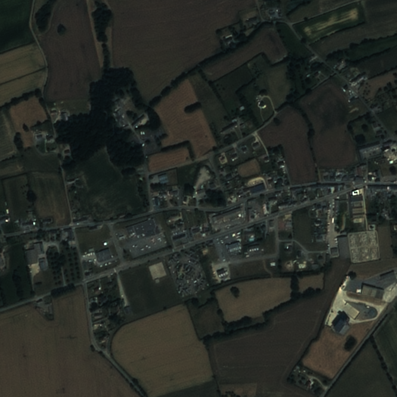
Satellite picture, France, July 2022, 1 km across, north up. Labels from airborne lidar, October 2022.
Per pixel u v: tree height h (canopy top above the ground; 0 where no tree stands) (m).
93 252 0
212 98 0
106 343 0
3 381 0
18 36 0
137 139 0
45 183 0
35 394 0
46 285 0
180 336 0
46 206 0
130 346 0
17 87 0
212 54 0
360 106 0
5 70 0
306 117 11
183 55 0
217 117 0
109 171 0
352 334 0
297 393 0
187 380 0
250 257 0
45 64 0
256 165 0
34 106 0
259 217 0
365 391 0
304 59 7
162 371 0
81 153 22
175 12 0
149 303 0
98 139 28
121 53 0
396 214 13
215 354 0
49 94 0
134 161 25
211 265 0
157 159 0
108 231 0
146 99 0
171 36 0
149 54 0
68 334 0
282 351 0
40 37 0
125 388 0
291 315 0
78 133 26
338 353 0
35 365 0
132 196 0
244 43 13
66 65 0
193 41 0
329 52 0
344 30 6
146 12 0
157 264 0
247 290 0
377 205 6
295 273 8
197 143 0
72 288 19
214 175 6
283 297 0
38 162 0
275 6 0
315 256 0
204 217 0
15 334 0
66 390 0
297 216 0
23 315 0
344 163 0
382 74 7
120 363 0
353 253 0
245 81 0
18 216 0
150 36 0
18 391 0
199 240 0
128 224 0
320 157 0
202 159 0
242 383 0
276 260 0
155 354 0
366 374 0
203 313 0
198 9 0
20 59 0
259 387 0
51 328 0
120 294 0
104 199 0
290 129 0
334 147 0
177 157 0
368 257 0
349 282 0
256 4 0
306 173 0
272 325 0
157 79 0
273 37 0
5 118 0
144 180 7
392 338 0
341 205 0
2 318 0
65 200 0
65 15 0
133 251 0
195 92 0
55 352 0
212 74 0
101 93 18
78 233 0
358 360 0
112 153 21
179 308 0
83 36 0
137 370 0
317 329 0
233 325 16
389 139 0
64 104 0
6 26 0
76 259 7
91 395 0
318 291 12
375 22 0
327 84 0
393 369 0
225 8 0
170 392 0
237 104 0
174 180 0
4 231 0
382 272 0
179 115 0
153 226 0
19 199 0
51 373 0
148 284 0
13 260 0
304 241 0
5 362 0
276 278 0
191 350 0
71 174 0
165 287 0
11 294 0
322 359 0
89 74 0
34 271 0
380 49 0
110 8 0
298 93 14
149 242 0
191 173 0
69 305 0
